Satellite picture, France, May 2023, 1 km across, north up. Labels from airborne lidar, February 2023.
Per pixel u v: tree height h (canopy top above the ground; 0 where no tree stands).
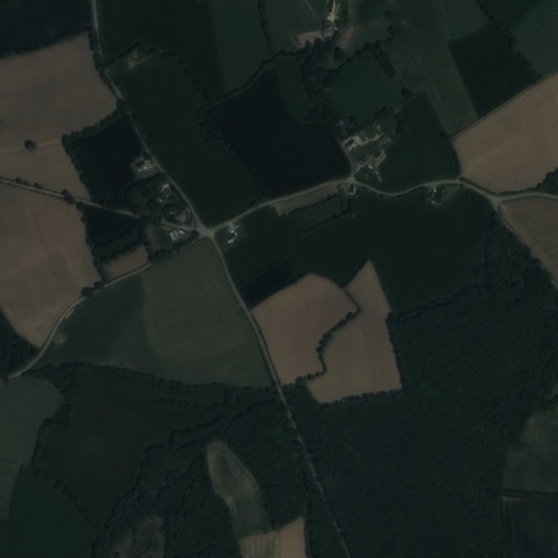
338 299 0
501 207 0
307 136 0
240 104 0
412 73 0
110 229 0
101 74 12
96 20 0
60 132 0
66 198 11
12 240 0
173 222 13
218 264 0
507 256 8
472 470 21
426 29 0
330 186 0
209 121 0
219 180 0
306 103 0
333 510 22
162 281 0
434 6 0
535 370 15
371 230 0
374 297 0
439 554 22
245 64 0
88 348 0
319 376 9
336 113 7
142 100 0
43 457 0
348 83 0
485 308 22
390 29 9
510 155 0
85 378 0
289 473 22
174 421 0
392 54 0
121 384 0
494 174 0
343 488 19
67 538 0
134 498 11
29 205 0
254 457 16
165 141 0
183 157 0
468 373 23
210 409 11
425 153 0
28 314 0
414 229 0
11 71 0
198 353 0
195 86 12
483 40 0
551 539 0
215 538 7
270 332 0
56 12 0
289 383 0
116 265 0
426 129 0
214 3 0
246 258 0
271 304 0
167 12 0
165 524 9
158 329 0
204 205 0
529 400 15
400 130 10
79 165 9
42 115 0
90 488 0
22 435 0
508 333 21
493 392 17
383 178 0
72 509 0
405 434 18
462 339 23
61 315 0
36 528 0
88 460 0
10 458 0
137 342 0
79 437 0
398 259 0
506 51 0
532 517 0
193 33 0
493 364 20
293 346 0
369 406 20
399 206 0
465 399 21
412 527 21
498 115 0
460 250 0
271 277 0
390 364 0
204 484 14
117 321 0
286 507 20
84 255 0
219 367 0
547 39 0
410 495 19
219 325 0
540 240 0
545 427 0
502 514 0
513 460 0
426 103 0
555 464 0
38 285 0
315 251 0
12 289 0
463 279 0
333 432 22
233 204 0
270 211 0
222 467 0
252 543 0
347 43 0
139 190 14
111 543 16
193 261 0
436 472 20
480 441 24
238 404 11
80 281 0
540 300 17
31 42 0
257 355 0
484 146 0
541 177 0
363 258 0
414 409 19
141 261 0
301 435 19
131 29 0
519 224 0
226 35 0
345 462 20
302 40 0
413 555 21
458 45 0
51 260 0
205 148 0
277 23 0
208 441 17
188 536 9
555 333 14
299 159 0
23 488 0
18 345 19
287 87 0
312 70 20
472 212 0
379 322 0
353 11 0
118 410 0
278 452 21
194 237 10
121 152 0
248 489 0
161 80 0
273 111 0
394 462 20
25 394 0
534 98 0
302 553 0
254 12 0
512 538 0
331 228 0
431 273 0
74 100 0
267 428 20
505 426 15
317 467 18
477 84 0
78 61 0
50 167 0
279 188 0
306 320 0
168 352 0
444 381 21
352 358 0
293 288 0
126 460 0
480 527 22
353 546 21
